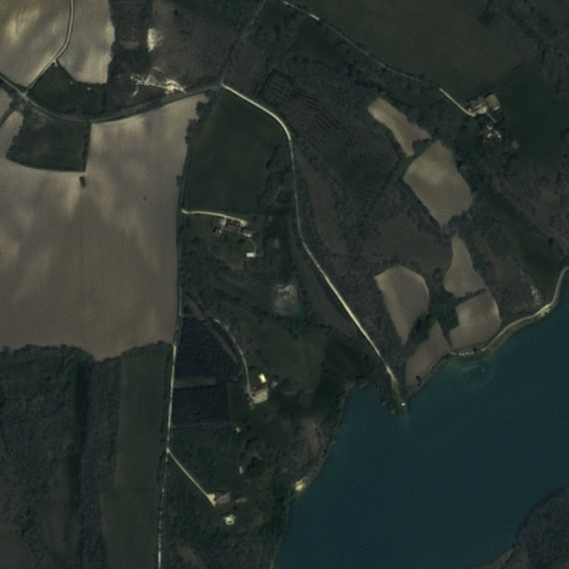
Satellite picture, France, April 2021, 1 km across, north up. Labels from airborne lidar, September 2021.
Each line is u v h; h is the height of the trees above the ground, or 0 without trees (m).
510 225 0
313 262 16
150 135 0
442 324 6
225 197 0
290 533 0
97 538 13
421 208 14
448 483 0
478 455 0
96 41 0
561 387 0
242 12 22
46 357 15
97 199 0
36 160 0
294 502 0
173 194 0
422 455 0
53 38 0
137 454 0
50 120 0
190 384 0
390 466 0
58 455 22
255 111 0
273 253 18
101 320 0
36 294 0
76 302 0
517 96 0
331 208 0
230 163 0
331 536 0
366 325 6
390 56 0
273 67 17
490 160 23
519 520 0
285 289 0
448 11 0
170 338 0
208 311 11
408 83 19
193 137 19
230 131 0
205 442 0
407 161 13
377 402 0
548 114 0
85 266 0
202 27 0
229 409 12
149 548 0
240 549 16
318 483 0
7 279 0
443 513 0
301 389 0
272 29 0
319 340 0
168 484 12
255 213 0
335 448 0
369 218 12
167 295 0
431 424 0
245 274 16
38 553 13
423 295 0
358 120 13
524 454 0
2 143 0
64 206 0
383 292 11
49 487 18
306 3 0
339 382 0
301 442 15
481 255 15
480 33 0
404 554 0
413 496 0
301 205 17
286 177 19
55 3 0
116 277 0
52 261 0
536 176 18
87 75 0
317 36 0
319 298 0
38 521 24
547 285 0
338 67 0
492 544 0
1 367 12
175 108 0
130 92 0
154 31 0
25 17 0
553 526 18
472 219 13
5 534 0
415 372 0
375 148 0
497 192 20
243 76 0
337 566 0
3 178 0
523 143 0
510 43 0
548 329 0
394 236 0
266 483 9
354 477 0
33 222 0
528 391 0
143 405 0
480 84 0
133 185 0
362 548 0
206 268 19
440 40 0
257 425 0
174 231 0
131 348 0
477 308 0
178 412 12
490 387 0
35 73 0
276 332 0
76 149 0
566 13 0
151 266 0
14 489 12
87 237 0
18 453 22
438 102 20
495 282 16
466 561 0
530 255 0
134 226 0
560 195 13
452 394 0
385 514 0
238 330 15
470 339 0
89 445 22
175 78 0
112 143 0
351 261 9
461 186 0
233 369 12
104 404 17
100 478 14
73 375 13
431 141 8
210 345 11
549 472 0
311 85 17
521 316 8
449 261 0
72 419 15
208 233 0
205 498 0
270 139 0
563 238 12
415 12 0
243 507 0
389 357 17
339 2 0
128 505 0
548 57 17
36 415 10
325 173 13
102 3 0
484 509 0
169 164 0
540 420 0
